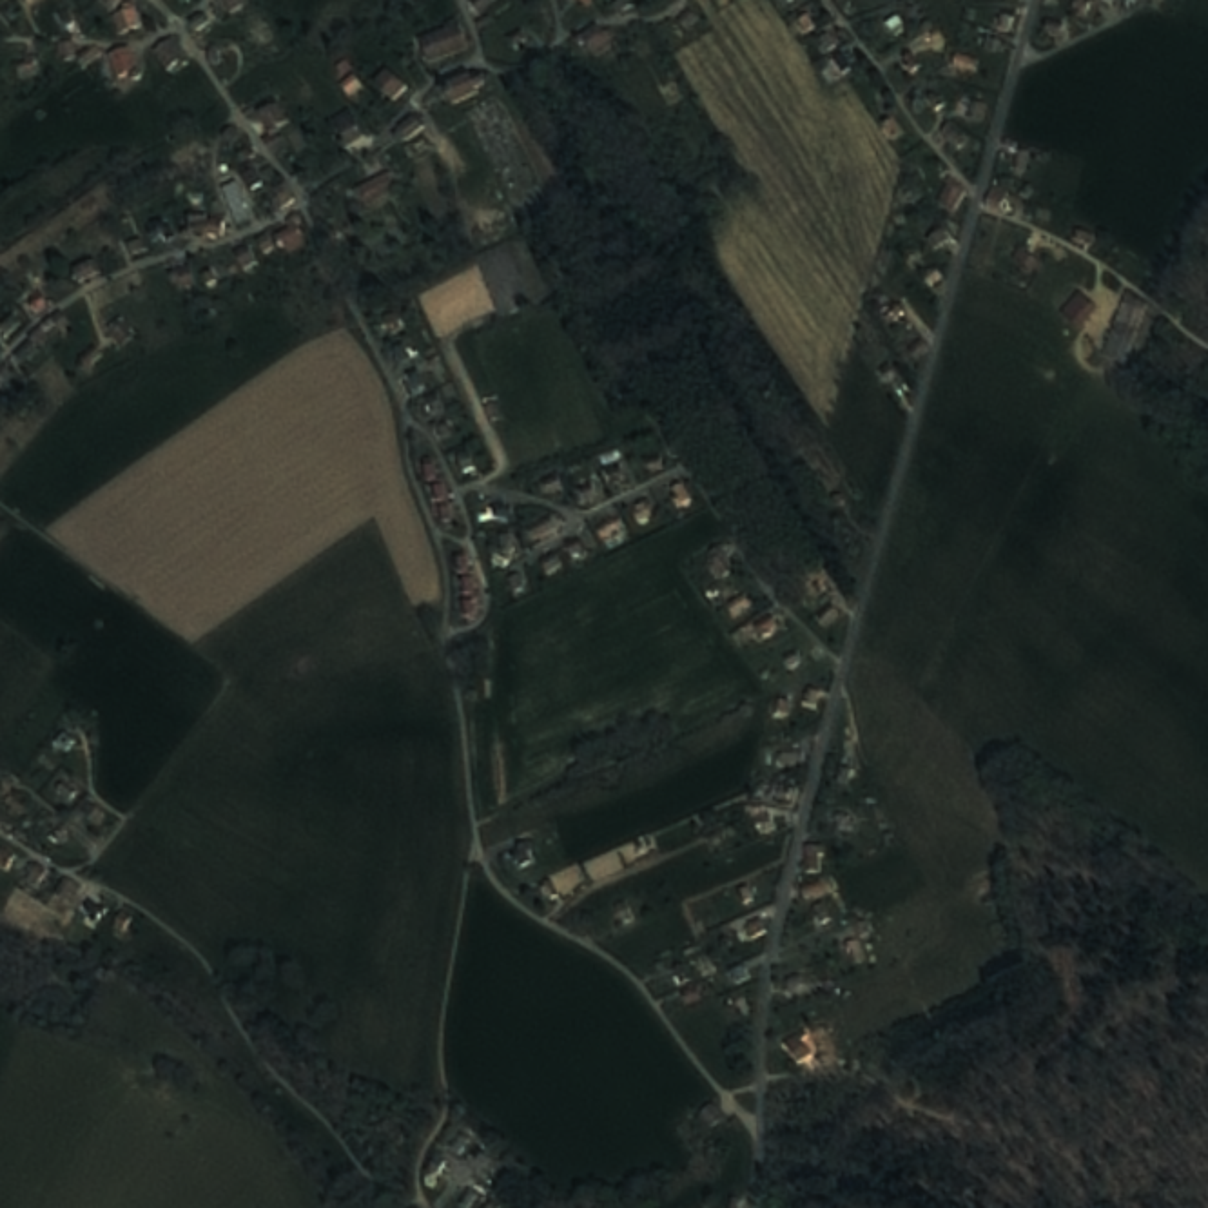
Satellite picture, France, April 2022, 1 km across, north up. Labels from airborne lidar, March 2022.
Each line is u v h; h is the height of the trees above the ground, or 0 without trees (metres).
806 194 0
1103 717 0
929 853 0
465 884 0
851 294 0
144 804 0
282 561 0
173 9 0
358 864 0
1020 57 0
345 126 0
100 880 11
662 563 0
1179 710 0
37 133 0
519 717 0
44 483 0
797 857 0
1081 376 0
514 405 0
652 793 0
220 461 0
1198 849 0
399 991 0
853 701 0
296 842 0
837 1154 29
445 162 0
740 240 0
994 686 0
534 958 0
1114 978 18
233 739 0
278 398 0
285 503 0
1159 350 8
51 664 0
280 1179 0
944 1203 25
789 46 0
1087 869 24
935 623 0
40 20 0
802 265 0
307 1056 10
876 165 0
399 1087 0
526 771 0
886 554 0
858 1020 0
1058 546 0
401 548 0
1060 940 27
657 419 20
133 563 0
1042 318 0
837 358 0
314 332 0
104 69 0
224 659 0
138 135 0
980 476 0
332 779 0
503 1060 0
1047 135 0
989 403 0
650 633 0
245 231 0
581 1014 0
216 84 0
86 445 0
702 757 0
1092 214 0
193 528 0
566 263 20
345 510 0
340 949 0
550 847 0
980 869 0
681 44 0
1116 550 0
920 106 11
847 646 0
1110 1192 28
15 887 0
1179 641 0
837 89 0
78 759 0
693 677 0
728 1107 0
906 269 0
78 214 0
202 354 0
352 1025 0
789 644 0
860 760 0
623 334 19
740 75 0
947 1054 30
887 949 0
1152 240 0
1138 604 0
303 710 0
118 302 0
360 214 12
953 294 0
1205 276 32
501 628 0
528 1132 0
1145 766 0
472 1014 0
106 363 0
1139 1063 26
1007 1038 30
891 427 0
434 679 0
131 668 0
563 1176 0
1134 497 0
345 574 0
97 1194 0
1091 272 0
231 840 0
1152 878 25
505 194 0
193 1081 17
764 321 0
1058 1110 24
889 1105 25
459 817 0
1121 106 0
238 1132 0
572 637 0
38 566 0
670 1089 0
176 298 0
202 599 0
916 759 0
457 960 0
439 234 14
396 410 0
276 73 0
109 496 0
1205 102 0
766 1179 22
